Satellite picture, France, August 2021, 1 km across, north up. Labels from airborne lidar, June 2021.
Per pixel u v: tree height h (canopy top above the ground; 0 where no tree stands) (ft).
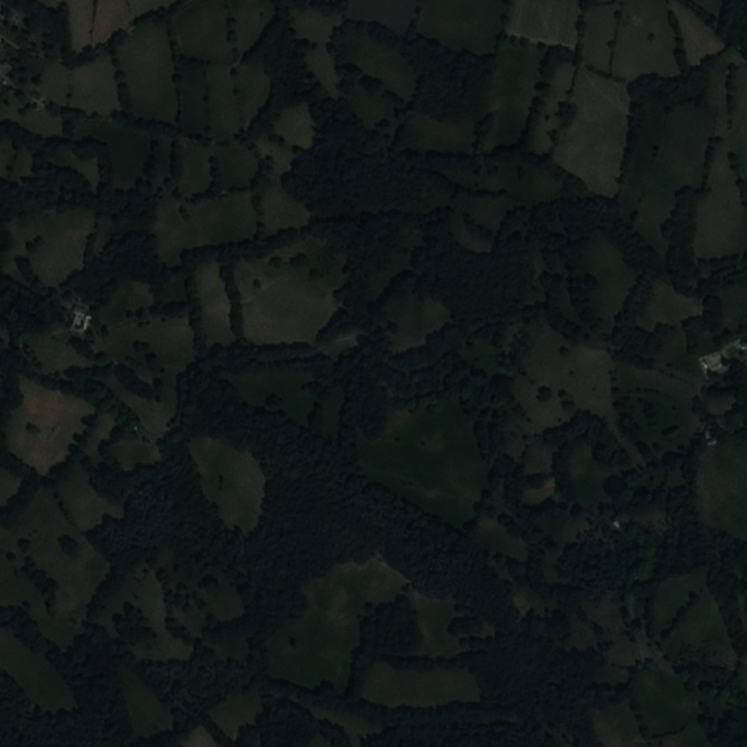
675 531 45
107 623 0
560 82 0
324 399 54
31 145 77
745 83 0
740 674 40
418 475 0
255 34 0
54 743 47
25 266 73
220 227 0
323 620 0
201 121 0
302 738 79
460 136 0
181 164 43
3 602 0
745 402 77
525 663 70
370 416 61
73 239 0
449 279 62
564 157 0
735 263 31
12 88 25
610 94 0
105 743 73
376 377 66
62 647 0
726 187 0
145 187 57
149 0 0
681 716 0
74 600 0
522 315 57
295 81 32
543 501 0
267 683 73
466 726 73
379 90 72
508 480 88
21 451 0
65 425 0
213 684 63
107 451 56
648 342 62
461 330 76
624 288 0
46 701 0
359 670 67
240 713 0
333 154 60
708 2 0
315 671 0
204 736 0
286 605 60
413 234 0
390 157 49
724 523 0
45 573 24
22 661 0
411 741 57
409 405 62
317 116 74
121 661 73
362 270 73
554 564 0
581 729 68
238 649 0
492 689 64
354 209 26
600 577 67
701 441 41
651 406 30
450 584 51
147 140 0
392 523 58
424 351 49
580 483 0
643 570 75
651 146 0
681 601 0
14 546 0
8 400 64
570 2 0
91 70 0
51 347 0
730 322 0
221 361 93
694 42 0
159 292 59
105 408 70
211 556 69
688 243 52
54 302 61
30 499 63
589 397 0
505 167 0
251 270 0
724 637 0
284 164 0
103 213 57
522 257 58
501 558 46
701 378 0
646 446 35
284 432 72
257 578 75
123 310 0
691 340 58
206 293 0
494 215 0
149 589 0
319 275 35
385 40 82
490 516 53
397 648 79
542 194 0
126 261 75
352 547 39
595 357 0
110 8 0
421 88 50
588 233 64
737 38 49
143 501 57
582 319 55
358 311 97
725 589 59
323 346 50
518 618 66
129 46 0
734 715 34
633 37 0
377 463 0
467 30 0
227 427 59
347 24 33
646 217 0
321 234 52
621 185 39
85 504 0
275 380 0
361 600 0
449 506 0
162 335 0
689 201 48
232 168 0
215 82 0
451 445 0
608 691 42
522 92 0
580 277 58
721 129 0
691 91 76
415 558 49
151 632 36
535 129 40
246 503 0
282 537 82
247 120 0
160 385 58
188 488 62
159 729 0
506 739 68
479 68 68
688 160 0
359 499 93
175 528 60
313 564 65
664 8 0
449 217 53
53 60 46
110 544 73
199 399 81
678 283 49
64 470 51
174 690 58
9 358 61
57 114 58
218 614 0
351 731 0
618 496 99
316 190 70
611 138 0
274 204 0
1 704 86
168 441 50
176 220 0
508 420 61
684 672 73
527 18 0
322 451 75
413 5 0
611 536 59
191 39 0
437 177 60
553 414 0
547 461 0
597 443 63
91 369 28
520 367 54
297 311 0
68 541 39
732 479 0
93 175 0
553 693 85
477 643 55
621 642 0
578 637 0
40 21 45
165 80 0
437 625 0
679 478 0
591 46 0
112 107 0
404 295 67
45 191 61
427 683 0
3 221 55
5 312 77
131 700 0
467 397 81
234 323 56
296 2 71
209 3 0
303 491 63
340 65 38
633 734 0
